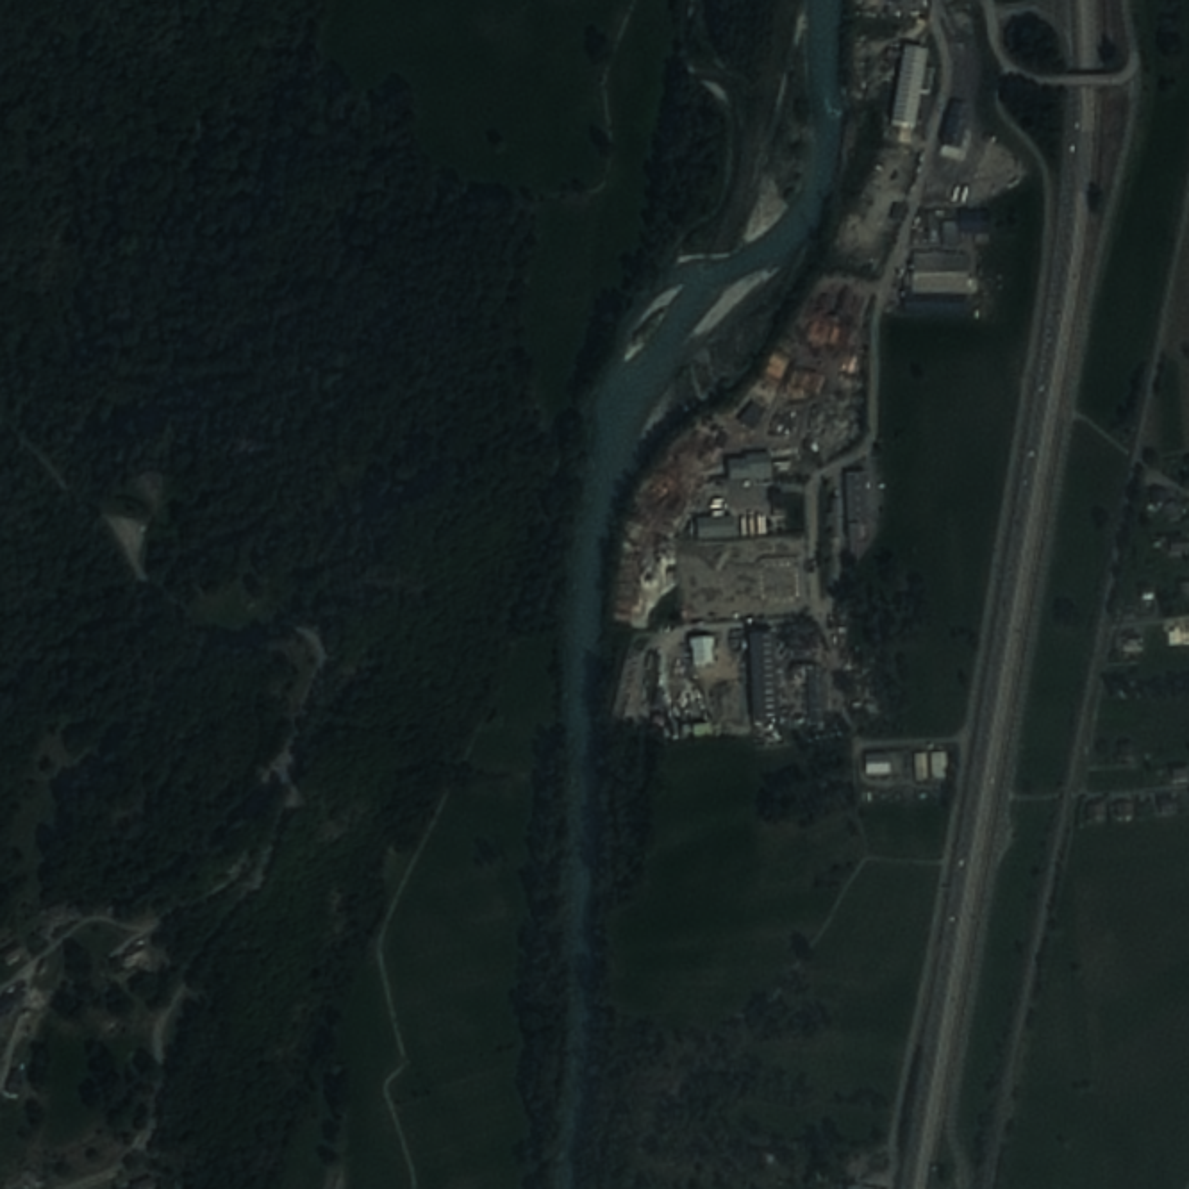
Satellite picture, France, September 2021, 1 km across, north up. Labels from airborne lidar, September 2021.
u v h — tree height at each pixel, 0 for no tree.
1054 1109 0
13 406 19
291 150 22
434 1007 0
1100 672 0
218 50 18
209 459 19
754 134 0
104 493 23
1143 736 0
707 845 0
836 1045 0
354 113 38
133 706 20
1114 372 0
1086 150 0
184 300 25
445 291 16
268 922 19
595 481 0
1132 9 0
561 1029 22
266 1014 18
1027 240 0
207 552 23
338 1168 16
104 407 19
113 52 12
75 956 17
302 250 22
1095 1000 0
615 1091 13
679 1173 0
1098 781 0
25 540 17
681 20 7
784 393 0
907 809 0
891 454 0
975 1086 0
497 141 12
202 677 17
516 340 26
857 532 0
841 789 8
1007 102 14
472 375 16
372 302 22
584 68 0
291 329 17
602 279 0
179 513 11
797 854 0
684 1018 0
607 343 15
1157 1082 0
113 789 18
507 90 0
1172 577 0
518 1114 0
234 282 21
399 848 18
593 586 0
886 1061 0
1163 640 0
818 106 0
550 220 0
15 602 18
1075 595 0
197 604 15
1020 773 0
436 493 19
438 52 0
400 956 0
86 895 9
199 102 21
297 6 20
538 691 0
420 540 14
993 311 0
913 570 0
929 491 0
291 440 18
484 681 25
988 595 0
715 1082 13
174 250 35
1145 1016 0
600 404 0
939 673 0
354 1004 0
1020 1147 0
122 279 28
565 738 17
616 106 0
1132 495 12
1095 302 0
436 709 19
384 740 18
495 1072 0
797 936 0
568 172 0
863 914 0
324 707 10
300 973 15
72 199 6
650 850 22
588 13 0
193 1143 23
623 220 0
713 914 0
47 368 23
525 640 28
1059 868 10
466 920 0
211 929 19
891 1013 0
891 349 0
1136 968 0
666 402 0
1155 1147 0
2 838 19
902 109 0
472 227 15
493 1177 0
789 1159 11
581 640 0
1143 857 0
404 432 9
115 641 21
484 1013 0
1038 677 0
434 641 19
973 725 0
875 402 0
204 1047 18
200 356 18
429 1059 0
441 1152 0
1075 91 0
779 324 7
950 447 0
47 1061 19
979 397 0
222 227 25
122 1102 8
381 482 20
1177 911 0
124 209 33
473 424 19
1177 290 0
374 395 16
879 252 0
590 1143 18
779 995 13
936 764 0
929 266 0
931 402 0
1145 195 0
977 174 0
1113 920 0
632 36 0
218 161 30
